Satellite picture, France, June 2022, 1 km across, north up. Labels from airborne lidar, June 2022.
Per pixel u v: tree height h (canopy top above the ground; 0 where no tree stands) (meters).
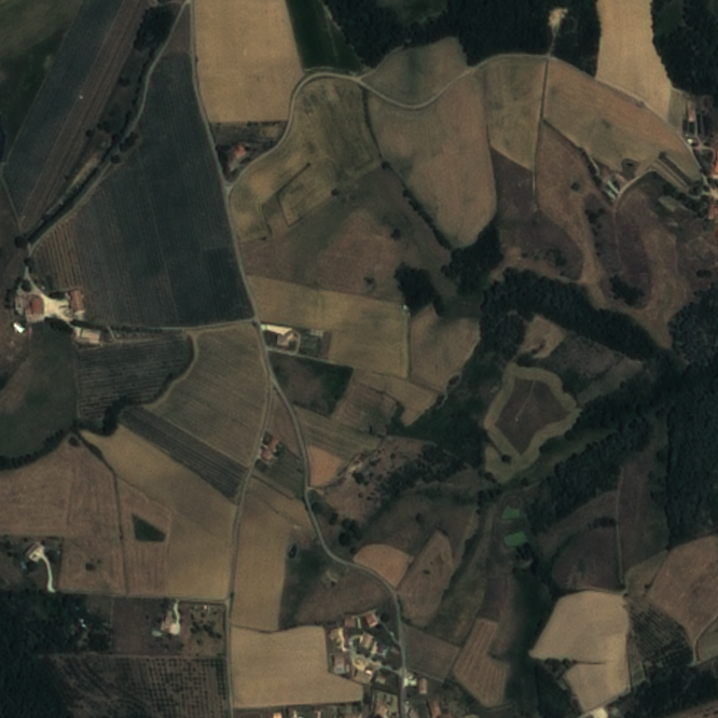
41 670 7
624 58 0
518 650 0
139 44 14
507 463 12
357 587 0
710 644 0
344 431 0
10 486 0
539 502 7
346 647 0
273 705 0
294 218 0
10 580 0
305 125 0
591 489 9
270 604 0
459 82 0
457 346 0
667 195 7
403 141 0
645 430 12
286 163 0
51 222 13
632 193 0
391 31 12
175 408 0
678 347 11
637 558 0
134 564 0
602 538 0
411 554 0
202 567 0
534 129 0
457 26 12
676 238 0
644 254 0
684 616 0
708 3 17
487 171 0
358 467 0
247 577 0
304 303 0
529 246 0
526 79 0
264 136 0
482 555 0
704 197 6
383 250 0
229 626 0
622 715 0
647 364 6
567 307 15
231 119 0
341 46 0
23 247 12
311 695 0
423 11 0
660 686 11
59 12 0
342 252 0
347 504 0
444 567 0
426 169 0
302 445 0
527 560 18
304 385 0
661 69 0
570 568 0
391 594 0
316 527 0
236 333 0
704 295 8
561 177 0
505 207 0
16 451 0
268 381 0
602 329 13
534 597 0
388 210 0
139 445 0
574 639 0
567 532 0
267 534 0
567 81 0
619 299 8
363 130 0
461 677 0
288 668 0
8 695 12
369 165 0
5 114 0
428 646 0
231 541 0
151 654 0
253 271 0
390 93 0
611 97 0
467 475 0
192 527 0
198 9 0
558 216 0
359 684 0
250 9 0
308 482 0
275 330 0
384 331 0
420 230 0
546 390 0
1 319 0
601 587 0
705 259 0
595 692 0
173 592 0
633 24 0
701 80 12
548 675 8
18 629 10
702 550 0
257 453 0
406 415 0
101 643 7
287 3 0
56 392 0
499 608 0
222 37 0
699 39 11
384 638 0
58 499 0
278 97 0
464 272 7
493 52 8
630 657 0
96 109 0
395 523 0
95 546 0
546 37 10
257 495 0
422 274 13
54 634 6
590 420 15
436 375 0
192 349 0
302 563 0
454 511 0
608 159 0
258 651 0
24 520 0
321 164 0
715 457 8
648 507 0
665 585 0
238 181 0
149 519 0
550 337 0
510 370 0
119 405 13
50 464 0
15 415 0
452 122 0
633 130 0
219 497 0
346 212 0
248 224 0
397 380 0
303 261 0
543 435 0
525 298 11
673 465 13
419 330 0
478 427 8
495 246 17
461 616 0
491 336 8
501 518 0
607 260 0
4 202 0
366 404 0
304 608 0
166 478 0
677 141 0
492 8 15
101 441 0
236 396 0
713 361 19
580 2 11
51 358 0
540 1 11
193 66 0
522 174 0
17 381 0
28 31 0
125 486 0
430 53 0
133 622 0
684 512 16
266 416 0
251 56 0
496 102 0
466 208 0
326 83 0
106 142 0
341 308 0
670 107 0
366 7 13
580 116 0
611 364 0
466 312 0
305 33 0
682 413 6
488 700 0
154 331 8
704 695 11
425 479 6
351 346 0
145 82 11
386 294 0
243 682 0
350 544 14
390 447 0
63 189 0
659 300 0
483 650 0
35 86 0
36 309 0
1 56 0
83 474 0
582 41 7
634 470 0
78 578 0
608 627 0
